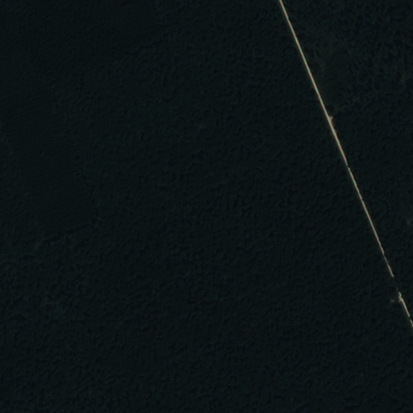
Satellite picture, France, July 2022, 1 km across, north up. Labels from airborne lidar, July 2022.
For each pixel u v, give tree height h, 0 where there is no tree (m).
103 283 17
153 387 25
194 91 23
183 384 26
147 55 21
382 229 25
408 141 26
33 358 23
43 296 28
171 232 23
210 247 17
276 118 21
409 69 27
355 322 21
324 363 18
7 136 7
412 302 21
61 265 25
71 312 26
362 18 22
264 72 19
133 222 29
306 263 22
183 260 11
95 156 21
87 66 20
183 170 24
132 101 18
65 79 19
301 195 24
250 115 22
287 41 24
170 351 17
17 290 26
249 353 24
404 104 29
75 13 15
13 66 19
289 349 22
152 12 10
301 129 17
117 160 18
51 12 16
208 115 22
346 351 25
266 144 25
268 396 18
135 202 19
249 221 25
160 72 27
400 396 25
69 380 23
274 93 23
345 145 9
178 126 23
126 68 18
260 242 22
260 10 19
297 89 21
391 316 21
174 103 26
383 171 25
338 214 22
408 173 24
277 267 20
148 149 26
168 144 20
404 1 29
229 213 23
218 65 22
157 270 28
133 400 28
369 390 25
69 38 18
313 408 27
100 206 21
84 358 18
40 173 8
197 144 22
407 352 8
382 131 23
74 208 8
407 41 8
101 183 21
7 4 14
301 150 24
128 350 18
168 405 22
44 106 7
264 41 19
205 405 26
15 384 20
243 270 26
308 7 27
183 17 22
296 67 22
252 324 20
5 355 23
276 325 16
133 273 23
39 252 25
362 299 24
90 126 24
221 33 22
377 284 14
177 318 23
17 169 23
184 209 25
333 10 22
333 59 5
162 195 21
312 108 20
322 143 19
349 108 22
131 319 19
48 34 19
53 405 28
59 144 7
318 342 13
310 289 20
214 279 21
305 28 21
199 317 25
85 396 7
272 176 19
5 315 25
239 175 19
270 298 18
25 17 18
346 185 22
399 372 26
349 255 19
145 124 18
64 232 10
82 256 20
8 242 27
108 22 16
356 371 21
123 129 19
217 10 20
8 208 16
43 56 16
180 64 25
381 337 9
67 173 9
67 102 20
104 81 19
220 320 26
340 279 15
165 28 21
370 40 26
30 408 27
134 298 18
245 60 22
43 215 8
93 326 21
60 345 26
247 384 26
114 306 13
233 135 19
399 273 23
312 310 23
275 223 20
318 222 28
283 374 23
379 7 29
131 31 9
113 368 20
